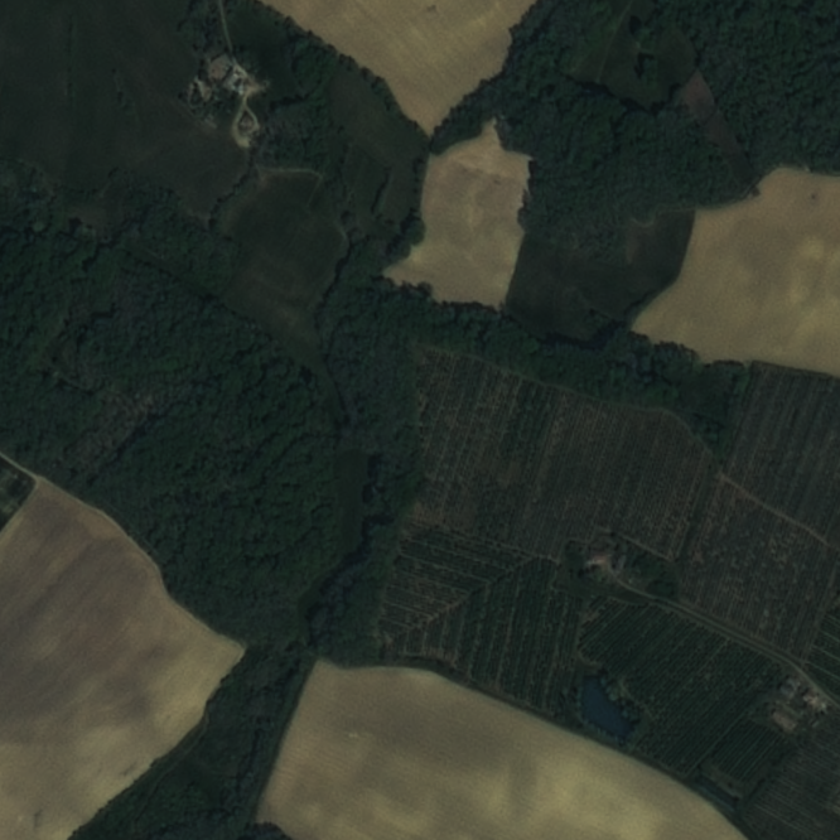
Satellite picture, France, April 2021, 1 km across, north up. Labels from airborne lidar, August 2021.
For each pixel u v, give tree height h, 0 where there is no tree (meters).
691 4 12
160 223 20
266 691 12
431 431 7
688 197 13
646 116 23
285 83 0
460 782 0
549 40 21
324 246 0
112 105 0
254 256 0
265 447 16
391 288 21
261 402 23
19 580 0
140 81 0
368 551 10
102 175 0
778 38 22
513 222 0
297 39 11
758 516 6
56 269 21
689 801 0
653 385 21
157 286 18
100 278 21
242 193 13
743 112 20
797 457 6
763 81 23
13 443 19
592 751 0
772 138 17
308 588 22
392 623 6
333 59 22
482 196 0
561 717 8
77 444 12
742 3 21
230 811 13
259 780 18
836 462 6
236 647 0
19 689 0
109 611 0
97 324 17
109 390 9
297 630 24
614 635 6
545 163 19
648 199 15
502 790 0
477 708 0
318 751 0
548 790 0
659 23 6
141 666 0
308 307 0
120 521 10
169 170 0
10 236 25
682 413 18
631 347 14
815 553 5
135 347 17
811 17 22
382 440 25
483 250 0
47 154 0
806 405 6
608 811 0
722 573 6
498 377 6
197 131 0
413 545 6
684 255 0
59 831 0
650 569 7
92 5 0
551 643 7
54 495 0
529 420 5
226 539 21
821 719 9
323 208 0
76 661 0
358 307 26
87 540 0
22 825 0
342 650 20
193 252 21
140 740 0
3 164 13
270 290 0
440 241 0
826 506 6
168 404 15
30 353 19
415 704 0
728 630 0
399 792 0
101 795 0
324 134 17
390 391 21
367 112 0
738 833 0
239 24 0
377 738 0
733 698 7
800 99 21
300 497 23
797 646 5
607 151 17
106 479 17
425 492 6
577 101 19
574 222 16
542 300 0
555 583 6
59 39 0
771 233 0
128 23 0
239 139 0
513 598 7
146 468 19
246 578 18
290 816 0
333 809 0
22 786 0
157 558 17
